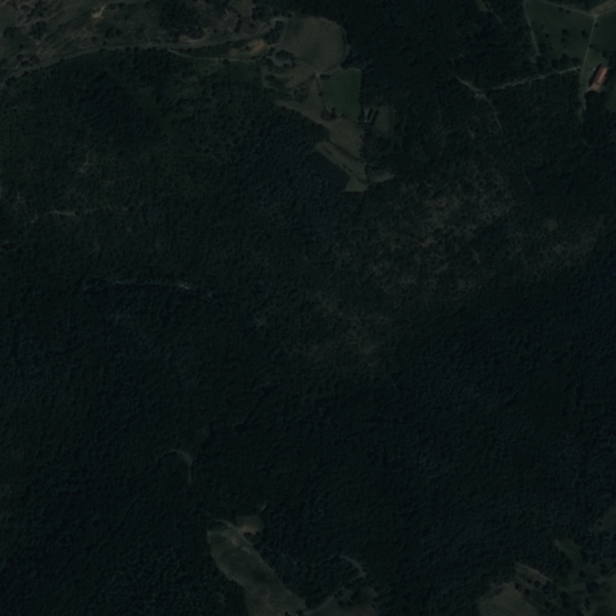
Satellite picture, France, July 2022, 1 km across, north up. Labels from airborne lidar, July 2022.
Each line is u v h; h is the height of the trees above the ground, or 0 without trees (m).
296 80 0
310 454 25
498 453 22
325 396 23
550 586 13
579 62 17
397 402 29
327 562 13
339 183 12
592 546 16
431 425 15
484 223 7
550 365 23
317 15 15
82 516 24
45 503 28
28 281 16
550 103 13
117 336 23
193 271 20
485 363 25
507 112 17
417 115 17
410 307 14
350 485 20
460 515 17
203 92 10
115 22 0
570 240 7
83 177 7
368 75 19
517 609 0
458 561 19
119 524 16
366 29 24
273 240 7
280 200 12
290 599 0
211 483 18
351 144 0
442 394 14
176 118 6
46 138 13
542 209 15
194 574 15
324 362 12
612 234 24
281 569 20
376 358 6
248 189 23
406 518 22
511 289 16
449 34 22
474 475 15
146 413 19
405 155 12
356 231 10
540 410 25
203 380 20
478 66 23
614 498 25
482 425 16
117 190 7
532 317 25
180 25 11
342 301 11
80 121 10
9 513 17
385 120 0
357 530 18
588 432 18
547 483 15
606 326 16
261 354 27
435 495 18
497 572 12
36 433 13
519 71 21
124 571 25
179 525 15
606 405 15
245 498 16
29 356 34
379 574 12
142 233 13
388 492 25
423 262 12
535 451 14
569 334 19
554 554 14
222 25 0
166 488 25
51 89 10
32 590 33
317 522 22
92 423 21
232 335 19
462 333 21
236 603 11
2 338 13
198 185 9
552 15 0
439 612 14
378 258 9
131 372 21
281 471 29
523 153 17
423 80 22
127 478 11
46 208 11
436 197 12
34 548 11
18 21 0
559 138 21
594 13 0
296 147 21
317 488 25
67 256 8
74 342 23
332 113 7
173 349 19
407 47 20
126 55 5
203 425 25
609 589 0
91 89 11
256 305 6
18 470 11
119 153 9
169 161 10
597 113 20
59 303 24
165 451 11
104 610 17
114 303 15
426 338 27
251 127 11
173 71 14
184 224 7
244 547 0
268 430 33
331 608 0
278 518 21
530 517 13
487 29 30
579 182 26
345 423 30
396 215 8
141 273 7
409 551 31
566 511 16
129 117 22
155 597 8
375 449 34
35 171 13
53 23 0
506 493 13
